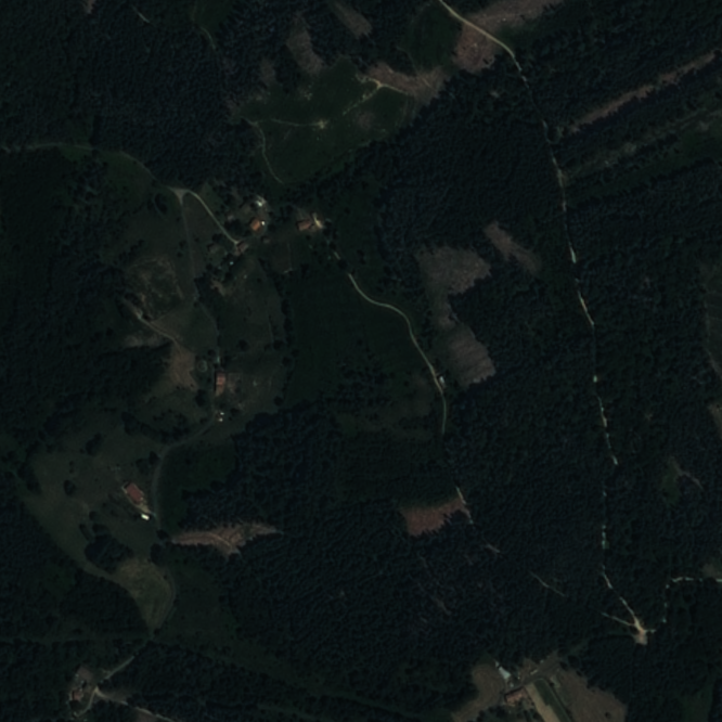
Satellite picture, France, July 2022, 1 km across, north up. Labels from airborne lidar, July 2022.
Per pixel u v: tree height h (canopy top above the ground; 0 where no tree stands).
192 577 0
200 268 0
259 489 13
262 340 0
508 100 17
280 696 12
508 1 0
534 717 8
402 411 0
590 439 21
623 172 9
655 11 22
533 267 0
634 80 21
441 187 27
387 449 6
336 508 17
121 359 13
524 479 17
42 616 6
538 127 28
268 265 11
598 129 20
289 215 14
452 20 0
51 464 0
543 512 15
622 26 28
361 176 20
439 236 20
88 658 16
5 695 6
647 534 16
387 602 14
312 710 12
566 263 9
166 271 0
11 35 25
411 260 20
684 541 29
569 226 26
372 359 12
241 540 0
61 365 15
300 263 0
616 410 17
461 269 0
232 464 0
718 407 7
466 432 29
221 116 30
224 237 7
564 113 25
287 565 21
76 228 7
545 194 23
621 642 15
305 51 0
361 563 18
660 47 12
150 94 17
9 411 21
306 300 0
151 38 15
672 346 17
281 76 21
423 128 23
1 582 23
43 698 6
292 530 18
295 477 23
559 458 19
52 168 9
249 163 12
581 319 9
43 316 16
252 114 0
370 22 16
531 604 23
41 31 24
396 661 13
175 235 0
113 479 0
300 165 0
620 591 16
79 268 9
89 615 9
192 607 0
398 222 24
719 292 0
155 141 26
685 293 14
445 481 11
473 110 25
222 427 0
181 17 14
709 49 19
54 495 0
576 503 22
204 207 0
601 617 15
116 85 21
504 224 22
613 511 23
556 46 26
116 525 0
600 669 16
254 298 0
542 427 10
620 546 19
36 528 14
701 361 18
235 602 18
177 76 22
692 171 18
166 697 21
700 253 22
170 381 0
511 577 26
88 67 20
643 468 18
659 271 24
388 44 16
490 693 0
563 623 15
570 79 18
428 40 0
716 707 15
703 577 16
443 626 22
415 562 17
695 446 30
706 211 18
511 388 26
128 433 15
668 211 19
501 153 24
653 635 12
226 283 7
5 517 32
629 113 26
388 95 0
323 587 20
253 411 0
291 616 20
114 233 7
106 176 9
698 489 28
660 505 27
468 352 0
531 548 14
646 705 11
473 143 18
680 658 21
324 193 15
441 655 18
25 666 16
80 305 19
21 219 8
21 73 24
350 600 15
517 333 14
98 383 17
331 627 17
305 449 35
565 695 0
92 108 26
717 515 27
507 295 16
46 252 6
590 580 22
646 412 17
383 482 7
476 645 29
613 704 0
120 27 16
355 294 0
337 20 23
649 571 16
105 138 27
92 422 0
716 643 18
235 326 0
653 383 21
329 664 15
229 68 28
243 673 13
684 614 22
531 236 20
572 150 23
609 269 26
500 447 20
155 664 9
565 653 16
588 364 19
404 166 23
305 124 0
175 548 21
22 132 23
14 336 19
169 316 0
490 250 24
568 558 21
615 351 24
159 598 0
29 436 21
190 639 0
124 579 0
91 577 16
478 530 21
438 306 0
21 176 9
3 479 19
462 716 0
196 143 27
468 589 25
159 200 10
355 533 21
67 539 0
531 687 0
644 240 25
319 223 0
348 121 0
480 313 21
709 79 26
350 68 0
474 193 22
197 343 0
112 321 0
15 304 18
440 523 0
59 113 19
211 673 19
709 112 0
